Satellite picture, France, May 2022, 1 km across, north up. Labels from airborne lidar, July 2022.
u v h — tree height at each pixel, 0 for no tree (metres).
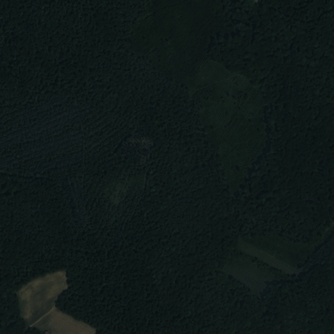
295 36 32
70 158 13
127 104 16
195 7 12
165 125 15
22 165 13
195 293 16
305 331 20
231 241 31
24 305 0
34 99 16
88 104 15
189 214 13
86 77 25
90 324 7
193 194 20
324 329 25
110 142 8
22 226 18
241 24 32
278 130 23
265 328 26
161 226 16
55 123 15
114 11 23
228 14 34
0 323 29
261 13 31
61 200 8
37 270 22
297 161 27
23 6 21
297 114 26
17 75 20
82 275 19
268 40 29
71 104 13
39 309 0
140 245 20
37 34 22
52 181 20
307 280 27
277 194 27
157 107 24
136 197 10
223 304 22
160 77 22
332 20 28
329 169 28
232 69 28
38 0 17
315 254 18
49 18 21
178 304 18
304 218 27
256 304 30
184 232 15
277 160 28
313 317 17
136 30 10
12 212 20
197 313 20
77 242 15
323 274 32
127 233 17
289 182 31
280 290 32
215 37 9
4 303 25
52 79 13
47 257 13
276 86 32
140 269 21
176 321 19
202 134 9
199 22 12
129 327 17
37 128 12
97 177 12
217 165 19
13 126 10
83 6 17
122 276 19
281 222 13
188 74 7
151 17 9
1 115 14
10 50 21
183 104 24
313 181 30
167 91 22
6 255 28
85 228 8
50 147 12
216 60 25
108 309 23
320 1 28
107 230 11
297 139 26
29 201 18
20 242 29
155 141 17
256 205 14
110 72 17
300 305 21
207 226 19
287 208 27
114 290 19
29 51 21
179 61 11
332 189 30
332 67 11
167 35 11
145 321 20
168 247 19
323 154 26
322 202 30
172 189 18
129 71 18
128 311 22
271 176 30
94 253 12
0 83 17
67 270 15
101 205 11
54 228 22
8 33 19
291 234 18
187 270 21
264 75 32
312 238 17
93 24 24
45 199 16
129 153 21
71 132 14
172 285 22
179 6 11
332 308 23
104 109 18
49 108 11
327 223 29
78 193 13
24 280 17
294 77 27
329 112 27
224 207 26
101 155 12
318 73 29
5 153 12
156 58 8
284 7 28
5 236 30
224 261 26
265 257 0
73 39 20
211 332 21
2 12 14
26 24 20
